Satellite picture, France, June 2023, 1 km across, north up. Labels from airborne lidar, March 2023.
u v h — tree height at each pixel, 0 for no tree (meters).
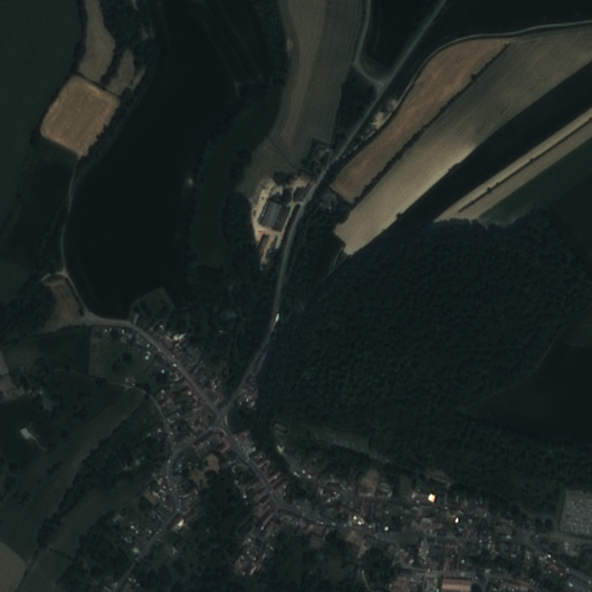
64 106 0
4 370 0
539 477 10
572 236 0
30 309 28
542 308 8
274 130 0
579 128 0
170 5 0
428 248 13
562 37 0
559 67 0
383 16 0
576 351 0
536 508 7
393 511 0
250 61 0
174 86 0
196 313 17
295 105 0
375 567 12
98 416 0
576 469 17
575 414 0
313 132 0
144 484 0
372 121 0
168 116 0
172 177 0
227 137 0
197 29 0
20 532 0
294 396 15
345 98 9
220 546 9
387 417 13
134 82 0
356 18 0
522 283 8
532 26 0
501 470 8
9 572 0
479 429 19
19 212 0
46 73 0
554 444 15
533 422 0
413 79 0
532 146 0
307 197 0
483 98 0
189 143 0
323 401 12
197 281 11
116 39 7
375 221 0
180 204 0
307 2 0
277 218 0
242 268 29
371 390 14
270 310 9
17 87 0
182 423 8
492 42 0
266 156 0
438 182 0
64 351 0
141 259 0
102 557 20
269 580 10
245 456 0
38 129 6
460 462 13
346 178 0
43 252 6
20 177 0
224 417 0
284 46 8
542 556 0
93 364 0
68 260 0
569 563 9
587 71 0
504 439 14
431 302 18
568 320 9
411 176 0
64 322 0
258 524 7
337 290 19
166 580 27
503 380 17
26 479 0
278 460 8
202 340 13
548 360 0
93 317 0
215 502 17
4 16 0
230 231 31
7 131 0
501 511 10
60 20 0
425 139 0
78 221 0
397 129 0
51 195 0
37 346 0
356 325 8
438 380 9
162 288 0
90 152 12
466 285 17
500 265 20
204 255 0
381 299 13
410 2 0
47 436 0
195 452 0
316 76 0
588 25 0
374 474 0
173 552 0
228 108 0
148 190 0
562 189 0
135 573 9
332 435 0
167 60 0
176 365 0
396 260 17
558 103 0
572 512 0
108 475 19
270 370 17
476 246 18
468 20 0
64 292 0
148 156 0
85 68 0
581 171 0
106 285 0
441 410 19
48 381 0
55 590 0
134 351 0
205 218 0
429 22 0
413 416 10
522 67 0
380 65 0
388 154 0
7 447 0
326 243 0
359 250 0
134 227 0
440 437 9
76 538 0
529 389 0
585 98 0
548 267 16
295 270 7
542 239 7
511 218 0
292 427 0
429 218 0
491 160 0
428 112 0
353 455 14
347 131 7
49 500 0
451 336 17
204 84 0
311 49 0
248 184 0
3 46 0
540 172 0
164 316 12
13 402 0
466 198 0
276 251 0
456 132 0
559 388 0
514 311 18
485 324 13
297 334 17
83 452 0
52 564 0
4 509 0
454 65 0
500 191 0
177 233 0
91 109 0
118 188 0
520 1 0
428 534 0
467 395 17
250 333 12
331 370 8
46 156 0
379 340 13
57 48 0
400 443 8
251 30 0
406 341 8
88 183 0
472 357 13
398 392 6
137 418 0
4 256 0
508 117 0
